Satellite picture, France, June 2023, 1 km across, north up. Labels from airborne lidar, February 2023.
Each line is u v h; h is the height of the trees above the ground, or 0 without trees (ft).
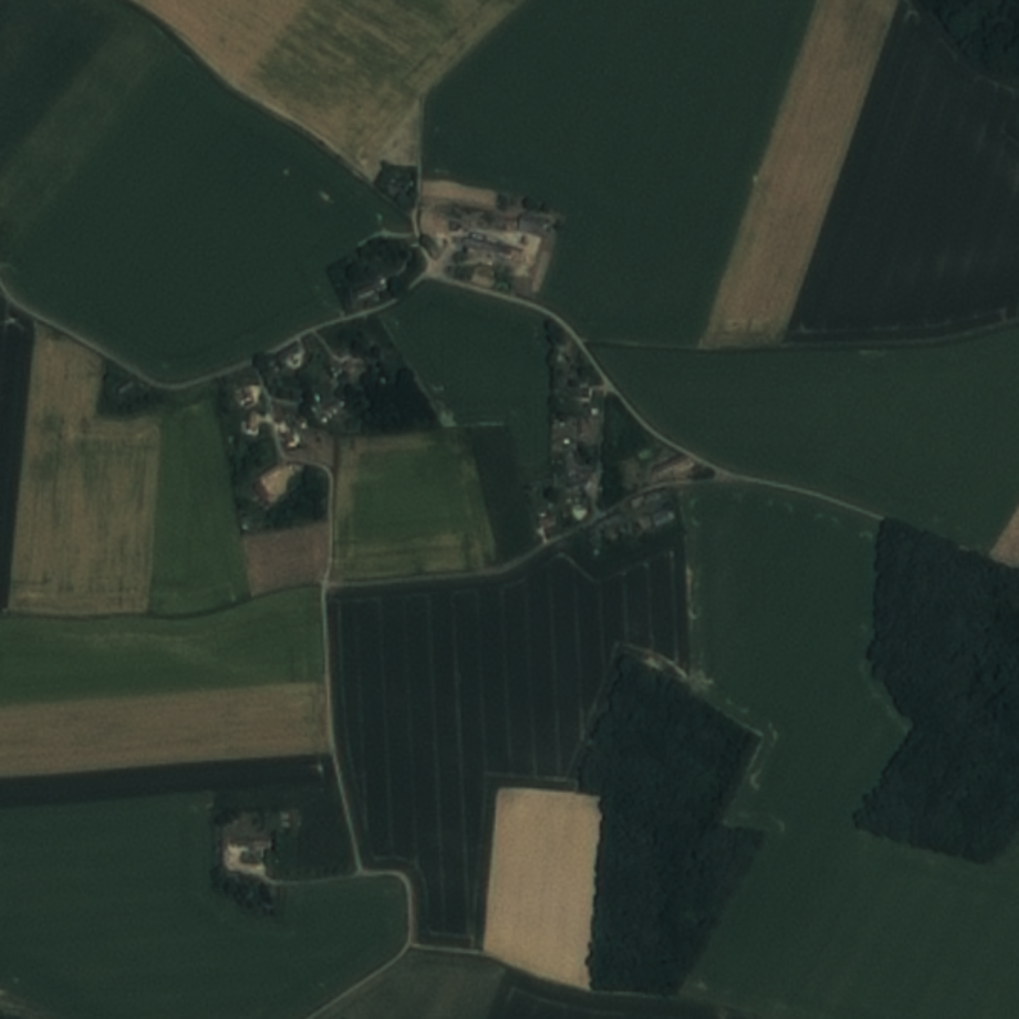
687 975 56
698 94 0
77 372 0
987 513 0
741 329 0
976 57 77
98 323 0
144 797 0
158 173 0
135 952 0
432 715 0
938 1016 0
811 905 0
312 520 25
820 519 0
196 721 0
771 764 0
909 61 0
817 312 0
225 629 0
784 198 0
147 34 0
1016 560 0
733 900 45
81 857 0
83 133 0
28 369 0
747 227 0
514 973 0
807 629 0
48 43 0
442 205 0
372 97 0
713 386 0
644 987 64
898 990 0
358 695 0
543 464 0
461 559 0
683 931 76
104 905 0
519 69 0
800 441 0
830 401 0
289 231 0
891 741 0
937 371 0
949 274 0
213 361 0
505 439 0
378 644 0
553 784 0
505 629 0
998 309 0
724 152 0
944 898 0
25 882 0
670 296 0
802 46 0
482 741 0
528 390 0
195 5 0
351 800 0
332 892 0
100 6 0
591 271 0
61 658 0
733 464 0
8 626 0
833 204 0
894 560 56
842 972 0
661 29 0
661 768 68
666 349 0
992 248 0
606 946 57
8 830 0
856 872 0
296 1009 0
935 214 0
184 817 0
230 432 0
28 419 0
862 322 0
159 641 0
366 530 0
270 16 0
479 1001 0
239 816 34
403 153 0
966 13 50
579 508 0
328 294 0
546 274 0
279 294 0
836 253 0
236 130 0
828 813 0
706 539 0
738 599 0
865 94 0
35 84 0
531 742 0
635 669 58
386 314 0
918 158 0
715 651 0
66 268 0
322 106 0
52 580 0
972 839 64
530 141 0
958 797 72
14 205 0
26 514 0
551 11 0
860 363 0
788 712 0
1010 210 0
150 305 0
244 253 0
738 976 0
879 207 0
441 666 0
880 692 0
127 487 0
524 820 0
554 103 0
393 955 0
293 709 0
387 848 0
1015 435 0
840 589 0
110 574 0
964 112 0
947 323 0
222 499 0
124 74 0
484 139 0
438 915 0
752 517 0
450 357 0
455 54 0
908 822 81
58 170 0
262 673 0
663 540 0
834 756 0
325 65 0
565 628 0
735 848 61
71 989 0
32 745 0
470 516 0
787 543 0
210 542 0
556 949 0
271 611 0
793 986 0
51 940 0
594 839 0
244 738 0
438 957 0
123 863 0
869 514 0
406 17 0
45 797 0
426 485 0
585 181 0
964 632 83
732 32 0
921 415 0
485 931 0
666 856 81
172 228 0
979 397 0
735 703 0
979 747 82
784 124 0
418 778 0
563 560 0
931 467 0
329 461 0
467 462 0
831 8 0
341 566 0
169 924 0
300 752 0
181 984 0
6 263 0
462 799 0
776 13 0
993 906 0
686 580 0
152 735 0
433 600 0
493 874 0
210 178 0
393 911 0
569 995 0
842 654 0
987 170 0
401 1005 0
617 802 68
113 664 0
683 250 0
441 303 0
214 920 0
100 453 0
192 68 0
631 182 0
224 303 0
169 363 0
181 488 0
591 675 0
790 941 0
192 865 0
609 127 0
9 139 0
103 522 0
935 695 77
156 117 0
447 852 0
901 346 0
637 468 0
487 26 0
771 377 0
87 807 0
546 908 0
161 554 0
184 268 0
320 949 0
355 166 0
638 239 0
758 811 0
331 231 0
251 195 0
